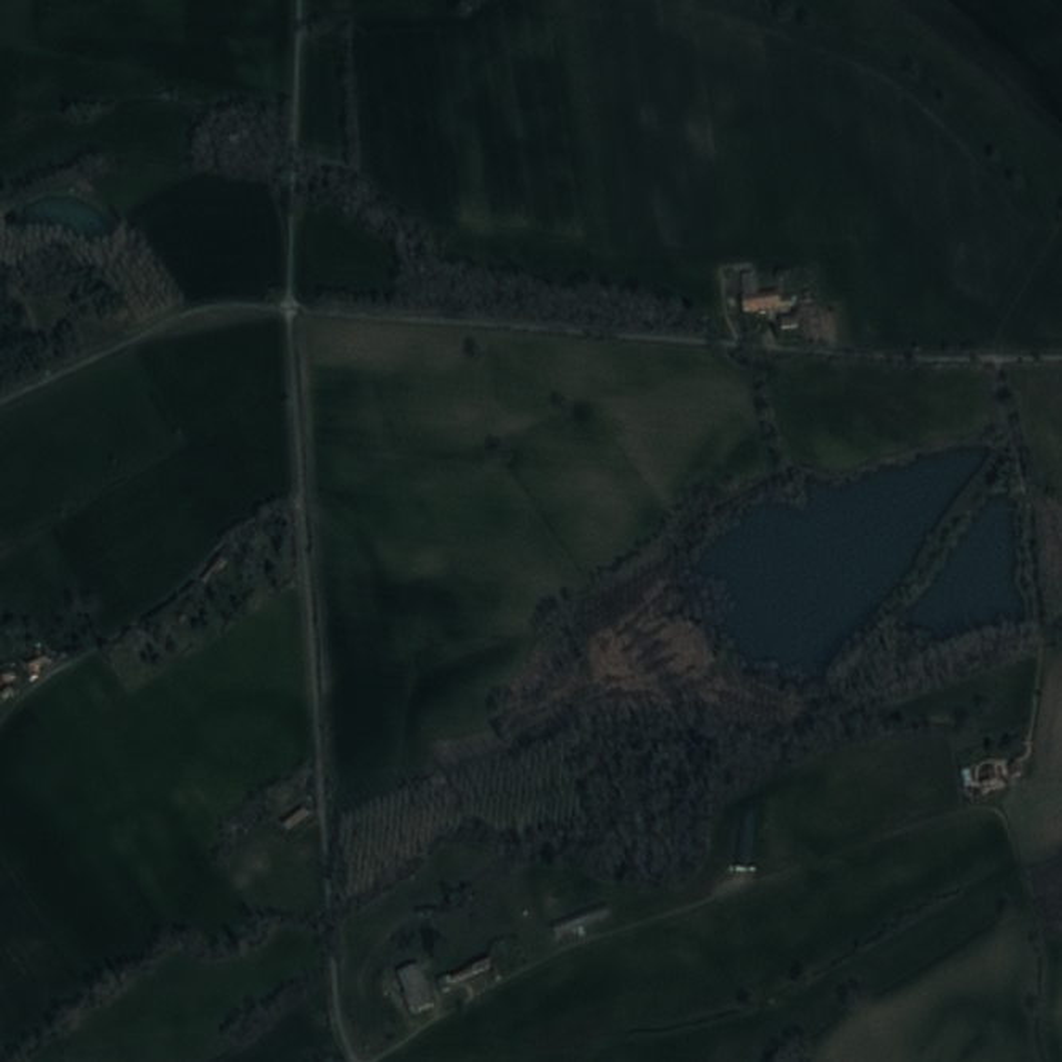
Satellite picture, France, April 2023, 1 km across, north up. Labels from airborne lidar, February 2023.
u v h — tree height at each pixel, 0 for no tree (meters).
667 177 0
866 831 0
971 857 0
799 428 0
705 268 0
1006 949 0
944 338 0
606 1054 0
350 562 0
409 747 0
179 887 0
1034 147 0
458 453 0
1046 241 0
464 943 0
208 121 15
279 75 0
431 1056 0
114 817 0
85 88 0
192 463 0
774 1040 0
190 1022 0
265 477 0
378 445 0
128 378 0
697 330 16
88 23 0
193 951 23
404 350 0
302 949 0
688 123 0
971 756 6
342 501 0
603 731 23
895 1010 0
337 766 0
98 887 0
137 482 0
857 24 0
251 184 13
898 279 0
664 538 10
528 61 0
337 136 0
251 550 13
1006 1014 0
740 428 0
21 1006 0
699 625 10
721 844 0
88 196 0
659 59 0
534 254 0
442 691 0
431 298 22
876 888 0
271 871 0
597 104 0
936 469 0
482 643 0
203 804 0
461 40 0
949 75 0
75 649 11
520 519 0
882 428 0
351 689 0
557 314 22
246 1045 10
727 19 0
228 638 0
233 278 0
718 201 0
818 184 0
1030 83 0
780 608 0
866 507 0
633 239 0
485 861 0
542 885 0
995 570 0
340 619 0
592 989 0
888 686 37
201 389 0
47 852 0
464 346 0
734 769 7
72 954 0
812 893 0
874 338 0
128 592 0
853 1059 0
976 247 0
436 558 0
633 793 7
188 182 0
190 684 0
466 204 0
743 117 0
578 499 0
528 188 0
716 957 0
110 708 0
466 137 0
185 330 0
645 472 0
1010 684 0
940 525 7
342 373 0
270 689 0
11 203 13
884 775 0
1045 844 0
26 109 0
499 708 15
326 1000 0
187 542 0
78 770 0
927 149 0
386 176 0
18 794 0
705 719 23
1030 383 0
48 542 0
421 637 0
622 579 11
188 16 0
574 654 9
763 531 0
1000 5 0
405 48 0
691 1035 0
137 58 0
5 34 0
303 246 0
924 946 0
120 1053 0
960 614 0
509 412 0
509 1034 0
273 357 0
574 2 0
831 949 0
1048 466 0
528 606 0
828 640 0
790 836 0
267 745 0
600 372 0
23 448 0
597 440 0
